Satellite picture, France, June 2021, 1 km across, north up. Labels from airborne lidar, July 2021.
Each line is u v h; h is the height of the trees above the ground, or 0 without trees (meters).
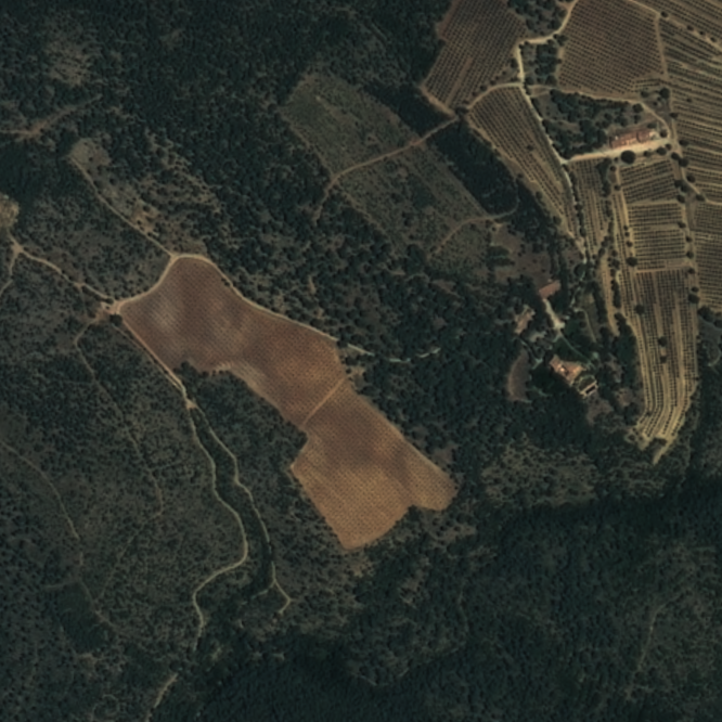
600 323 8
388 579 9
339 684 16
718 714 6
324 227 12
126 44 9
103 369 9
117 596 7
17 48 13
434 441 16
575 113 11
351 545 0
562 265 7
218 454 7
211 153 14
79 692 16
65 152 15
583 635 16
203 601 13
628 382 17
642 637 10
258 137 11
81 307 8
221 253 6
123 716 10
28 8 6
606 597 7
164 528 6
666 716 9
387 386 15
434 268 6
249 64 10
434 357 17
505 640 20
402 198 14
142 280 7
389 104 10
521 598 6
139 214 0
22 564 13
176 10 12
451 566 6
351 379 6
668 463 6
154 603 8
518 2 16
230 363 0
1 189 6
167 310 0
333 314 15
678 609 8
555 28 12
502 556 14
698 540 7
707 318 16
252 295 15
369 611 7
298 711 19
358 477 0
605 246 9
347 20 8
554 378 11
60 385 10
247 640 21
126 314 0
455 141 12
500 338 16
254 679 17
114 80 6
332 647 10
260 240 13
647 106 0
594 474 7
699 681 8
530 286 15
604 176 8
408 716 12
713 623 6
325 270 13
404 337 15
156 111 11
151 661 9
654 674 14
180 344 0
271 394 0
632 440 7
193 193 7
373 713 17
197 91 9
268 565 7
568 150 10
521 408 15
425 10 6
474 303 16
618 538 13
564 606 17
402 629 10
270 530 10
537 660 16
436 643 17
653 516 7
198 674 19
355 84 8
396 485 0
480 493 14
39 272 8
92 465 8
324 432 0
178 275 0
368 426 0
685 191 7
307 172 6
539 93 0
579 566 15
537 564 13
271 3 6
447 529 16
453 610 17
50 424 13
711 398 7
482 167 10
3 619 11
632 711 14
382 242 17
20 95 11
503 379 14
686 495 13
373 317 0
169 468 8
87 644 8
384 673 13
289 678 19
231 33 6
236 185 15
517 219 7
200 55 8
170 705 20
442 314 14
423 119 9
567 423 14
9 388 9
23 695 13
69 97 15
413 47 7
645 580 8
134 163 11
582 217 8
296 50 12
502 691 16
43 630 16
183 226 12
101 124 9
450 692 12
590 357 7
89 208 9
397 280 6
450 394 19
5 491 13
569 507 12
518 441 16
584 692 7
